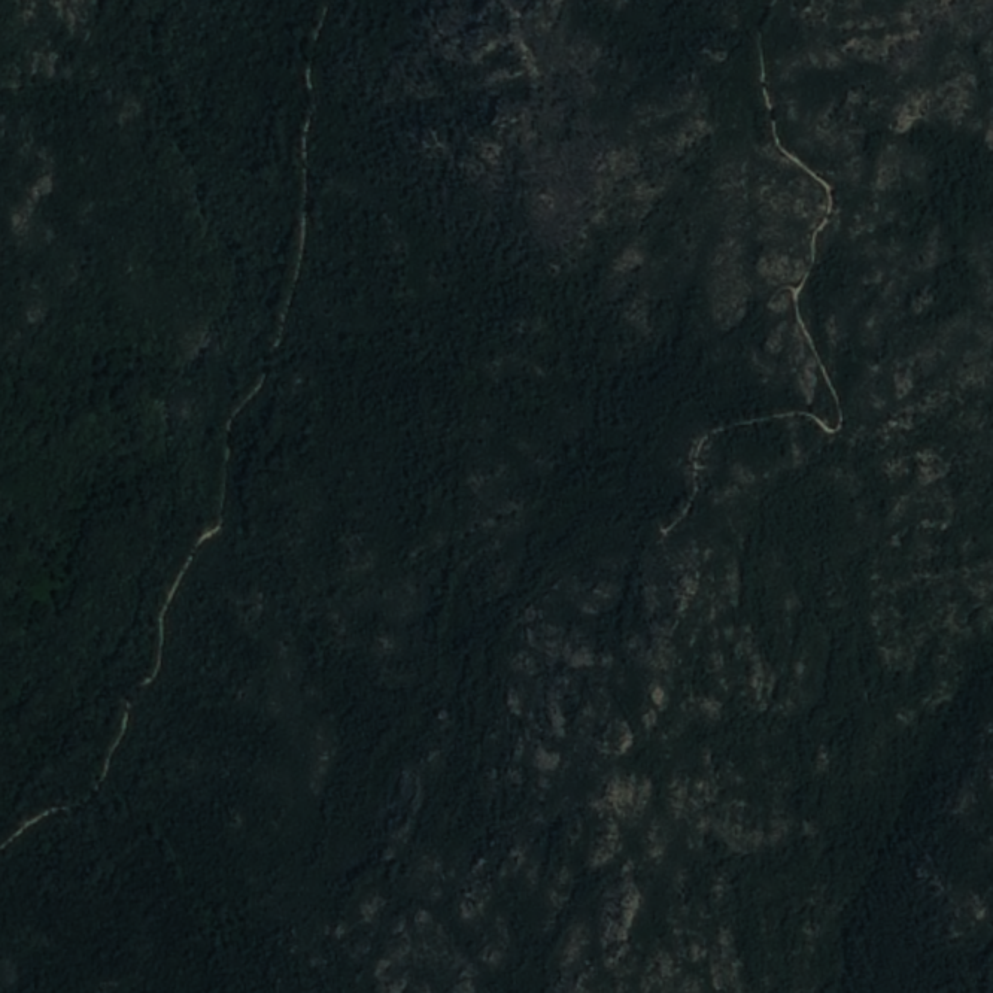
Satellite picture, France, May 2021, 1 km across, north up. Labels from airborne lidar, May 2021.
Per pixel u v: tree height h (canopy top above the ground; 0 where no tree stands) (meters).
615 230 6
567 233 11
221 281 9
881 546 8
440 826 16
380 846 8
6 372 14
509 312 8
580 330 11
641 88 7
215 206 9
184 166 8
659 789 9
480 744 10
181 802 7
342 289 7
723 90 11
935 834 12
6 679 11
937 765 11
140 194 13
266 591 9
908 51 19
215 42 13
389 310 6
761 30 10
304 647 7
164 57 8
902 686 14
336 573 7
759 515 8
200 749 7
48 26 6
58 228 7
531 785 8
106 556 14
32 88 18
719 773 13
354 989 6
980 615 17
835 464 9
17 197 7
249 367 6
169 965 8
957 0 13
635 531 9
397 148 14
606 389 14
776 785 8
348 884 13
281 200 11
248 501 19
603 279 10
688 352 14
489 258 7
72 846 12
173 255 11
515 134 11
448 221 11
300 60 8
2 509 14
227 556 8
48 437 13
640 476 14
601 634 9
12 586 11
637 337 8
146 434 24
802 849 16
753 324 8
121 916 10
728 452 6
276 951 10
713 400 10
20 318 6
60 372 8
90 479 16
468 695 10
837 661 17
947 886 6
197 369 6
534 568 10
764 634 10
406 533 6
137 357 11
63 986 13
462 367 17
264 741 7
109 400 15
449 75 13
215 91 12
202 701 15
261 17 8
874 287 7
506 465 6
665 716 11
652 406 14
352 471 8
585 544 9
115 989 7
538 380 8
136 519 13
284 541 5
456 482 9
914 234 13
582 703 8
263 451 21
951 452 6
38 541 17
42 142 7
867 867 16
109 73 9
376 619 8
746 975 6
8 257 11
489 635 16
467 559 7
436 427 9
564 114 8
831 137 0
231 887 6
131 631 13
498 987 9
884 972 12
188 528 18
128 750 7
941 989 14
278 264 8
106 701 13
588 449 9
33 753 14
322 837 8
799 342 0
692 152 10
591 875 8
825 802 16
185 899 8
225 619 10
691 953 6
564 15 13
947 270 11
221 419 5
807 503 10
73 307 10
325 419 8
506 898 8
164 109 16
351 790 12
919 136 13
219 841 5
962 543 10
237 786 7
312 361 10
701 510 7
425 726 8
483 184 14
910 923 12
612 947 9
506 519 10
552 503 10
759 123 9
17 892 8
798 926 11
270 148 12
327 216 9
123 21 14
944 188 12
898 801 14
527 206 12
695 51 10
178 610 7
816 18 9
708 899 9
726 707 12
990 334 0
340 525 8
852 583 9
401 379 7
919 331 12
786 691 10
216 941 17
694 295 10
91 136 8
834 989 16
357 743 12
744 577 12
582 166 9
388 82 13
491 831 12
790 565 9
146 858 8
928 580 9
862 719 16
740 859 13
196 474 10
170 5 12
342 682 14
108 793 10
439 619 18
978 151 12
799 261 0
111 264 7
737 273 0
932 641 7
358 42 13
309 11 11
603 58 6
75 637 8
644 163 9
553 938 7
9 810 16
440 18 11
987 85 10
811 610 10
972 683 9
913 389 6
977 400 9
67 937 11
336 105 6
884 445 7
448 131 9
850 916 11
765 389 7
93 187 6
